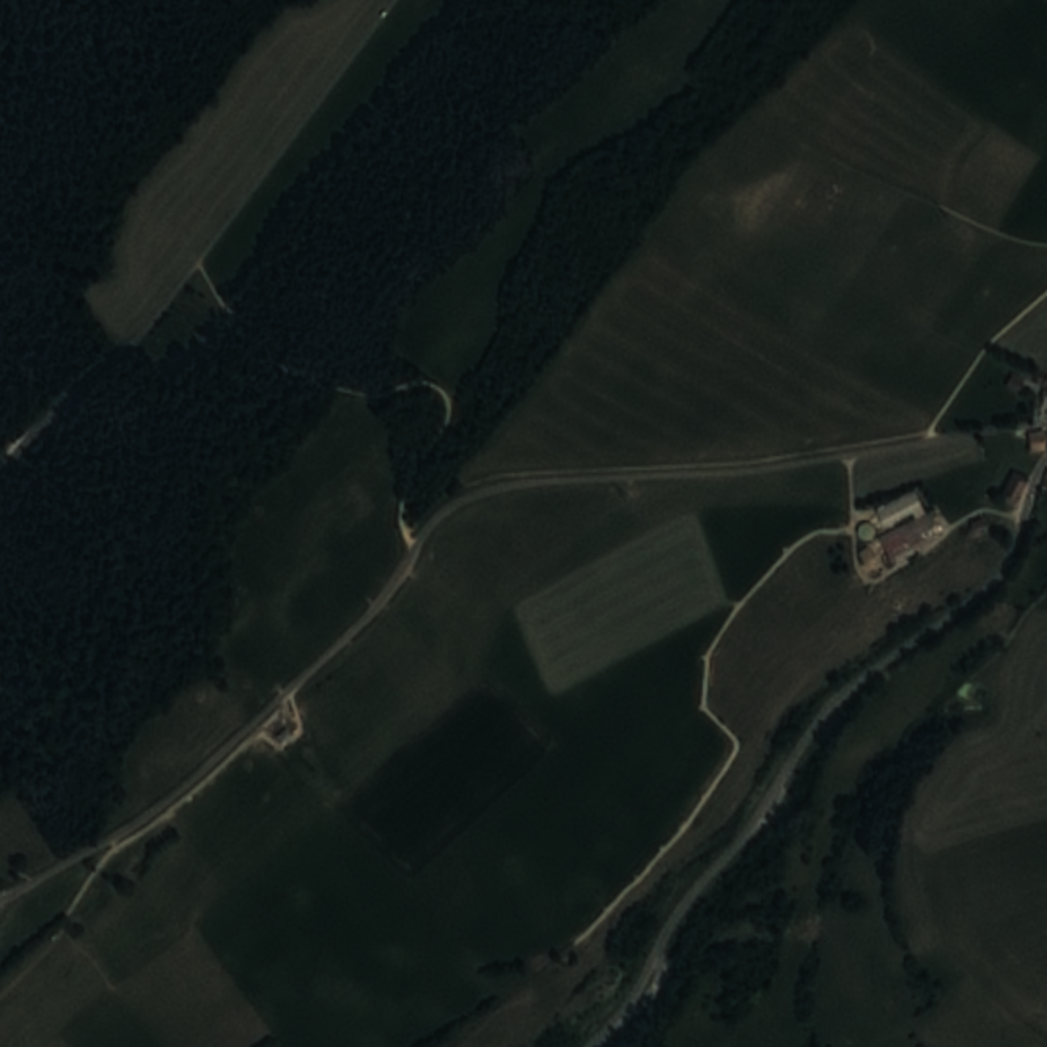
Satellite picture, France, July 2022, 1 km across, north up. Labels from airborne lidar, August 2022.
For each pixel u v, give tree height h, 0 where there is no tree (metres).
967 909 0
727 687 0
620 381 0
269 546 0
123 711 17
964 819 0
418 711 0
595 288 11
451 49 21
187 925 0
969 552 0
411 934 0
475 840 0
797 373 0
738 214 0
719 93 13
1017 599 0
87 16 26
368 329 24
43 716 13
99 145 19
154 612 22
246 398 23
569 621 0
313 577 0
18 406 16
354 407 0
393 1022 0
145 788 0
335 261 20
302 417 22
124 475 25
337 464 0
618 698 0
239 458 13
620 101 0
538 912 0
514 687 0
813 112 0
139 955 0
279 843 0
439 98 20
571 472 0
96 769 15
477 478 0
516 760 0
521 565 0
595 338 0
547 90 21
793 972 0
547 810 0
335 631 0
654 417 0
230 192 0
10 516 28
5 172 26
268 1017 0
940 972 0
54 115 25
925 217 0
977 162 0
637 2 10
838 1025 0
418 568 0
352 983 0
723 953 20
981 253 0
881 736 0
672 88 0
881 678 15
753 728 0
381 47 0
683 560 0
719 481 0
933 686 0
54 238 8
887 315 0
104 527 18
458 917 0
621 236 8
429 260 21
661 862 0
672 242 0
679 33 0
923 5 0
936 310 0
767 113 0
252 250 0
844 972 0
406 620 0
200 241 0
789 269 0
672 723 0
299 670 0
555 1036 12
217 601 24
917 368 0
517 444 0
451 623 0
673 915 0
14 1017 0
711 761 0
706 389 0
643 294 0
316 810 0
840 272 0
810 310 0
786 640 0
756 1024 0
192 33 14
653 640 0
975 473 0
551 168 0
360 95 0
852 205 0
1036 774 0
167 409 24
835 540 0
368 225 16
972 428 11
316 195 17
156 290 0
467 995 0
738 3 9
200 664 28
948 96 0
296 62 0
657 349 0
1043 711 0
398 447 14
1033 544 6
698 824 0
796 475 0
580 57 20
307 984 0
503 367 14
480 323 0
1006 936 0
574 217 10
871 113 0
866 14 0
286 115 0
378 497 0
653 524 0
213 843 0
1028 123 0
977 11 0
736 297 0
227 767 0
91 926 0
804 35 10
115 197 7
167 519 23
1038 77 0
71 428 24
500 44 12
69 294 23
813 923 0
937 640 20
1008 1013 0
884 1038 0
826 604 0
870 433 0
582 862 0
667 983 16
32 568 26
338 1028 0
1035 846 0
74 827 19
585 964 0
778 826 24
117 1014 0
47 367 24
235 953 0
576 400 0
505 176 22
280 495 0
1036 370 14
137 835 0
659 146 16
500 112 21
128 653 19
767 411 0
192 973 0
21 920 0
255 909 0
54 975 0
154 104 11
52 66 28
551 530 0
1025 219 0
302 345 18
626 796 0
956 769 0
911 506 0
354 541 0
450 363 0
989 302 0
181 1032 0
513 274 17
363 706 0
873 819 24
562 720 0
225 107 0
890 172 0
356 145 22
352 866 0
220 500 23
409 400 12
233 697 0
